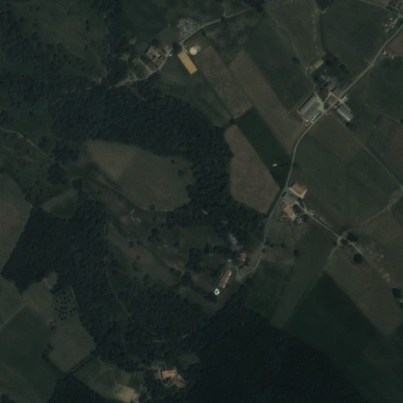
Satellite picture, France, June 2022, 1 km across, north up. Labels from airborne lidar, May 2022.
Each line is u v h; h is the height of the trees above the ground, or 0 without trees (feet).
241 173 0
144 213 0
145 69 0
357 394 29
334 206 0
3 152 0
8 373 0
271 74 0
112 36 32
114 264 36
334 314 0
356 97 0
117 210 0
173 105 62
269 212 21
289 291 0
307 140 0
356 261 44
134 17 0
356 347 0
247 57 0
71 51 0
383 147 0
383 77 0
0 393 0
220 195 81
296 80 0
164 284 0
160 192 0
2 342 0
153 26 0
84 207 23
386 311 0
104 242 33
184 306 41
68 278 72
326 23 0
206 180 39
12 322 0
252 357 52
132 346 57
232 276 0
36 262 73
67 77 35
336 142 0
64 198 0
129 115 64
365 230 0
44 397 0
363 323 0
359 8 0
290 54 0
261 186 0
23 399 0
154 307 25
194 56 0
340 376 31
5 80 39
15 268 68
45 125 0
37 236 67
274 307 0
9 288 0
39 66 35
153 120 60
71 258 21
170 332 45
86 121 20
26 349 0
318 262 0
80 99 26
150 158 0
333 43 0
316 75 0
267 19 0
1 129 0
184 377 34
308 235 0
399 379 0
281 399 36
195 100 0
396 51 0
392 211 0
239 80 0
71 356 0
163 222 0
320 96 0
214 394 52
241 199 0
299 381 46
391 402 0
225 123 0
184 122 60
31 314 0
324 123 0
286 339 82
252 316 47
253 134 0
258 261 0
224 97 0
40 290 0
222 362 44
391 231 0
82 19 0
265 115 0
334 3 0
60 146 47
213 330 65
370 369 0
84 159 0
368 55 0
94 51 0
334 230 0
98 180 0
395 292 58
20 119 0
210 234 0
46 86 40
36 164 0
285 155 0
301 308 0
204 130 70
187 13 0
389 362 0
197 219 55
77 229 73
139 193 0
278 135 0
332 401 36
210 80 0
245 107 0
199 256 55
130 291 29
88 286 25
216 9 0
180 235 0
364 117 0
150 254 0
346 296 0
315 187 0
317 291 0
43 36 0
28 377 0
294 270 0
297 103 0
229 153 43
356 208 0
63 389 22
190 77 0
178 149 21
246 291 49
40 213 58
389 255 0
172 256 0
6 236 0
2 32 57
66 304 36
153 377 32
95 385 0
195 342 56
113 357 64
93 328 55
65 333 0
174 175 0
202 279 0
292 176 0
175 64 0
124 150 0
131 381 0
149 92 39
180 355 20
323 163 0
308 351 38
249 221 30
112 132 48
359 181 0
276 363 73
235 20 0
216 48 0
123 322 0
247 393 43
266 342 44
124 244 0
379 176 0
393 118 0
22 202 0
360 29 0
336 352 0
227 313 57
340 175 0
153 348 61
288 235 0
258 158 0
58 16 0
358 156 0
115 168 0
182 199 0
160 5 0
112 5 53
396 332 0
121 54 29
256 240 0
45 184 0
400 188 0
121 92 20
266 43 0
